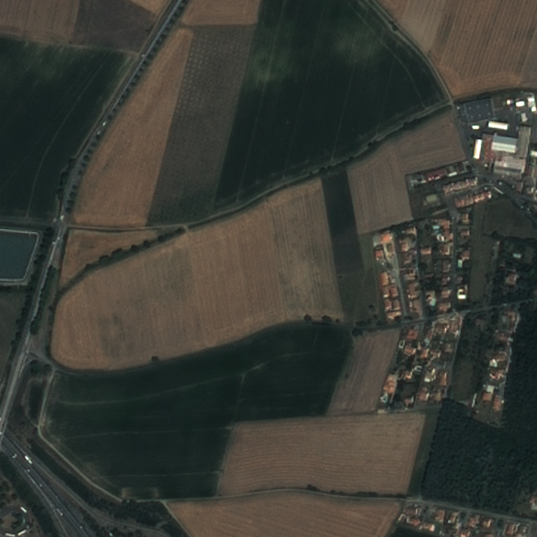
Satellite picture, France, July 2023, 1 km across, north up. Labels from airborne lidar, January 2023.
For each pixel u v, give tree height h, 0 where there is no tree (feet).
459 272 28
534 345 36
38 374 36
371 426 0
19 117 0
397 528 0
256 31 0
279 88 0
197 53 0
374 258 0
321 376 0
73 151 0
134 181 0
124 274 0
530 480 40
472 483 53
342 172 0
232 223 0
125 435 0
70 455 0
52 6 0
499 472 36
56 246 0
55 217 0
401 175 0
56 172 0
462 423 43
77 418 0
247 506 0
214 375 0
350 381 0
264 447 0
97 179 0
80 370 0
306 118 0
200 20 0
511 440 19
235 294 0
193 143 0
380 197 0
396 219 0
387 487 0
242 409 0
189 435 0
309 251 0
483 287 0
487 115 0
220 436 0
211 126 0
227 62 0
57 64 0
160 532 0
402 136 0
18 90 0
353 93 0
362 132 0
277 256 0
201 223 0
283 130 0
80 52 0
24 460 0
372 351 0
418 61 0
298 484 0
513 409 26
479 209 0
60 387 0
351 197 0
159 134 0
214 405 0
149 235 0
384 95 0
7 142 0
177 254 0
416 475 0
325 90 0
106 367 0
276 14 0
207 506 0
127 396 0
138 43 0
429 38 0
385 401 0
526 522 0
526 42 0
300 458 0
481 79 0
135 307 0
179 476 0
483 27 0
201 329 0
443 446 63
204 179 0
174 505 0
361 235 0
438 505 0
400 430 0
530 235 0
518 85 0
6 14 0
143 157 0
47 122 0
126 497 0
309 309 0
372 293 0
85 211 0
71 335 0
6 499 32
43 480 0
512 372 28
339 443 0
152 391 0
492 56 0
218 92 0
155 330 0
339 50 0
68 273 0
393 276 0
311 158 0
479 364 21
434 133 0
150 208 0
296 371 0
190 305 0
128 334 0
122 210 0
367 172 0
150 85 0
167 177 0
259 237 0
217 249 0
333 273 0
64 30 0
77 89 0
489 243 0
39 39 0
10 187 0
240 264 0
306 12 0
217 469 0
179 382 0
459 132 0
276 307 0
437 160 0
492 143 0
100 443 0
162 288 0
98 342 0
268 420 0
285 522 0
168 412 0
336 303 0
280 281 0
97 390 0
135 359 0
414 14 0
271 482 0
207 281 0
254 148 0
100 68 0
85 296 0
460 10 0
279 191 0
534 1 0
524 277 33
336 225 0
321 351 0
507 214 0
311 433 0
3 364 0
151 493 0
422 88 0
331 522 0
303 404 0
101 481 0
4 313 0
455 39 0
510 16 0
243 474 0
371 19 0
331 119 0
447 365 0
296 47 0
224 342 0
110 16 0
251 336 0
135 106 0
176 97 0
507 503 44
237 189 0
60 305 0
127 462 0
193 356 0
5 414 0
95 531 30
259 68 0
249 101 0
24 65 0
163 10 0
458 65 0
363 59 0
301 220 0
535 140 0
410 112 0
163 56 0
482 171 0
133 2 0
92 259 0
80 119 0
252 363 0
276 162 0
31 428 0
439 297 27
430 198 0
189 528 0
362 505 0
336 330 0
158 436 0
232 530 0
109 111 0
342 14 0
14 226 0
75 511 0
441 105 0
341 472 0
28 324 0
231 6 0
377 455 0
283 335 0
